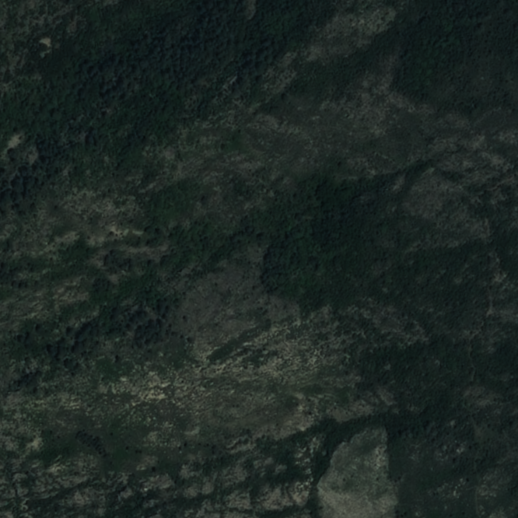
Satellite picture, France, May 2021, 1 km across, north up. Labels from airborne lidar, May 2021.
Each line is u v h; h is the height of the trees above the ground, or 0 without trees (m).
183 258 8
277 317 0
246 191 7
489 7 8
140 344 17
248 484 7
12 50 7
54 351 21
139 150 12
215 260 8
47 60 13
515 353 12
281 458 7
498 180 9
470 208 6
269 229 8
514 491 8
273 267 12
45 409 0
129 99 7
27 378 15
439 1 13
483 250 10
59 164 7
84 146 8
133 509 7
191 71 25
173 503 9
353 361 8
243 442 6
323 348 11
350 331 10
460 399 6
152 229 20
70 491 7
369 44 8
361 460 0
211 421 0
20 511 7
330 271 8
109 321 8
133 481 8
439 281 8
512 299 7
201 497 9
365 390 10
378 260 17
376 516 0
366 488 0
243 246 23
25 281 6
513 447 6
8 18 7
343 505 0
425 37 17
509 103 8
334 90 7
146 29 6
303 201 9
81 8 23
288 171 0
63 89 20
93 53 20
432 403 10
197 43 27
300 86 8
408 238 5
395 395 7
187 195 11
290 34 15
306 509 7
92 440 12
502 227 9
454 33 9
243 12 21
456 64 11
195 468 7
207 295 0
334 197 20
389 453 8
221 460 8
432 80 7
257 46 17
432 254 6
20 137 8
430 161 9
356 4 6
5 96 16
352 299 7
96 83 9
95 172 6
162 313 12
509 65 8
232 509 8
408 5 8
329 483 0
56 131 16
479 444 10
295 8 13
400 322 7
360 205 9
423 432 11
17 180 16
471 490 0
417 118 0
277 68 7
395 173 7
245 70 24
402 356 9
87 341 22
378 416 10
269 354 9
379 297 7
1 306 0
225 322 0
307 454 7
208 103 19
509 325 7
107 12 14
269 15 18
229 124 7
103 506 8
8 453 7
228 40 16
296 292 15
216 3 12
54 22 9
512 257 7
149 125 16
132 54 12
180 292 6
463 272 8
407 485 7
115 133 14
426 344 8
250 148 0
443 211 6
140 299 11
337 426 13
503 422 8
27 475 14
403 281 14
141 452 12
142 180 7
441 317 8
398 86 7
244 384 0
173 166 7
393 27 8
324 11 8
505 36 6
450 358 12
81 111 8
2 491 7
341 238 14
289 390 0
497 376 8
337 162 6
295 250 14
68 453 13
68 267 6
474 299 10
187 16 7
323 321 8
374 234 8
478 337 11
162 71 15
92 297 7
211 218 7
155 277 6
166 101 21
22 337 23
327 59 7
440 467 6
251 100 12
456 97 9
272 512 9
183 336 12
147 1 11
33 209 9
